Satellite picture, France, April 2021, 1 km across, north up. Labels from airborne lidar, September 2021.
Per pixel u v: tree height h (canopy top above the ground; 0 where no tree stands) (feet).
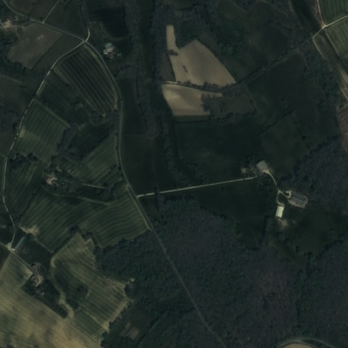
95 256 49
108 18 0
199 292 65
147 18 0
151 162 0
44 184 27
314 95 0
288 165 0
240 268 68
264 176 26
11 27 0
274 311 48
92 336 0
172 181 0
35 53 0
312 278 93
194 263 60
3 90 0
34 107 0
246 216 0
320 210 0
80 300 0
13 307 0
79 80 0
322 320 85
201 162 0
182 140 0
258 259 49
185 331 51
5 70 41
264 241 64
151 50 0
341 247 68
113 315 0
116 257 61
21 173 0
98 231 0
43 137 0
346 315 64
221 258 62
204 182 37
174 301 31
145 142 0
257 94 0
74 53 0
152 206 0
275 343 34
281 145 0
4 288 0
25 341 0
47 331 0
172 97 0
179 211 70
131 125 0
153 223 43
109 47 0
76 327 0
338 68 0
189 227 64
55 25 0
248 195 0
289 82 0
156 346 19
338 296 56
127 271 75
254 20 0
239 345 51
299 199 0
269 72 0
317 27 0
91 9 0
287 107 49
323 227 0
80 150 0
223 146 0
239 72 0
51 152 0
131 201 0
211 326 68
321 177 67
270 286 46
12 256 0
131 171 0
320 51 27
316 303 69
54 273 0
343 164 61
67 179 51
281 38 0
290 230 0
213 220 71
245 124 0
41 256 0
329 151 73
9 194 0
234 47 20
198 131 0
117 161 0
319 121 0
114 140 0
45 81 51
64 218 0
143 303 47
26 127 0
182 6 0
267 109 0
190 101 0
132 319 0
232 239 72
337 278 63
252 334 57
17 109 0
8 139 0
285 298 48
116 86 0
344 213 67
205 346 61
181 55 0
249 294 51
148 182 0
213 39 26
